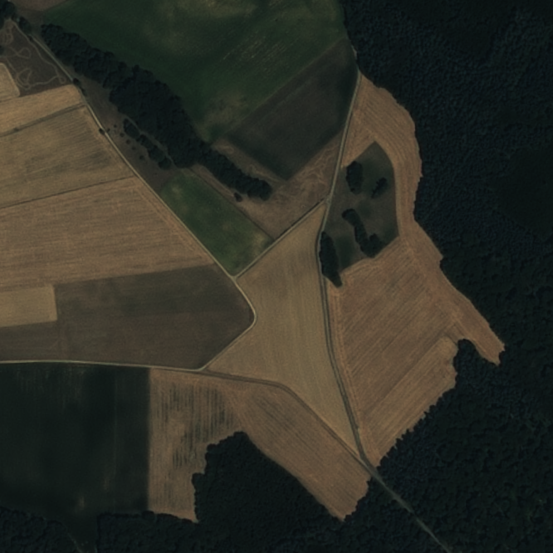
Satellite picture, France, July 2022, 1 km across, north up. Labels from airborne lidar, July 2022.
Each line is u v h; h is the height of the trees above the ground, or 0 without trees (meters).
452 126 28
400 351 0
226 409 0
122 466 0
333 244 13
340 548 32
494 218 23
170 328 0
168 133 25
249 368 0
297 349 0
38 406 0
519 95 14
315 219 0
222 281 0
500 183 9
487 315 22
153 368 0
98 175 0
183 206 0
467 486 18
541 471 29
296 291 0
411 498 26
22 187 0
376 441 0
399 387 0
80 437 0
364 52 29
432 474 29
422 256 0
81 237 0
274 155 0
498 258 25
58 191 0
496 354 0
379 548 28
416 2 13
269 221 0
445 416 24
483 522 30
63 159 0
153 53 0
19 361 0
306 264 0
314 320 0
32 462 0
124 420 0
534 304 26
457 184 25
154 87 25
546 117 8
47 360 0
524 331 25
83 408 0
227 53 0
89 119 0
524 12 31
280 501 15
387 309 0
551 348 25
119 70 11
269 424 0
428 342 0
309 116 0
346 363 0
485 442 26
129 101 25
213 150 14
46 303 0
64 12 0
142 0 0
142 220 0
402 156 0
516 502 28
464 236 28
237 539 13
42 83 0
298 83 0
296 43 0
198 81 0
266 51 0
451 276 18
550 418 21
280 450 0
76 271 0
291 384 0
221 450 15
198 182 0
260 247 0
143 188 0
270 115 0
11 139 0
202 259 0
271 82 0
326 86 0
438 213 24
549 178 8
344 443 0
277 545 19
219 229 0
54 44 22
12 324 0
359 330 0
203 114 0
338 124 0
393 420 0
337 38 0
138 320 0
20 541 29
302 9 0
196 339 0
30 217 0
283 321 0
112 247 0
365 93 0
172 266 0
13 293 0
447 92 28
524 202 9
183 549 29
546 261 15
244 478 14
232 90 0
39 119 0
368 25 30
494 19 19
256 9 0
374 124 0
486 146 24
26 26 20
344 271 0
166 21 0
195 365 0
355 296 0
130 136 12
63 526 21
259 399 0
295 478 11
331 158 0
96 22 0
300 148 0
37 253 0
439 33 18
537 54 25
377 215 0
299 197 0
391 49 27
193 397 0
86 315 0
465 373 25
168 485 0
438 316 0
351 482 0
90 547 0
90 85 0
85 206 0
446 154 24
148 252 0
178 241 0
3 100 0
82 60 19
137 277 0
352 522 26
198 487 17
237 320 0
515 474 26
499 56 36
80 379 0
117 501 0
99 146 0
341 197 0
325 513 25
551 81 24
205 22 0
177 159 19
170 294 0
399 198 0
